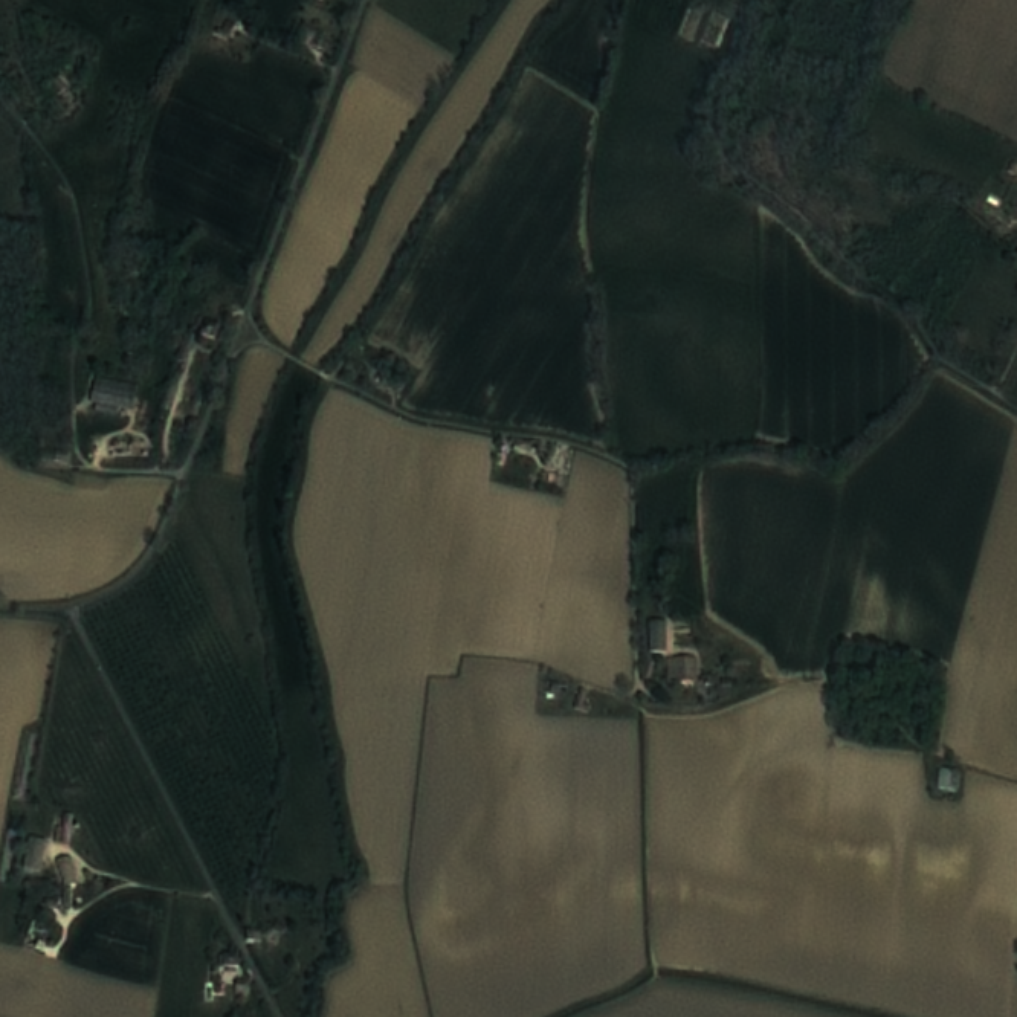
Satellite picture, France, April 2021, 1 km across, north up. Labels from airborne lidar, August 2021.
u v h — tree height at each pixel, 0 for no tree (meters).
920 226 9
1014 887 0
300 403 11
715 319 0
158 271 18
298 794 0
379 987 0
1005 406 0
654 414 0
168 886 0
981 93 0
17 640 0
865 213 0
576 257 0
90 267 0
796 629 0
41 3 0
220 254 0
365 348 0
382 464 0
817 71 14
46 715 7
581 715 0
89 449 0
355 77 0
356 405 0
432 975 0
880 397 0
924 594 0
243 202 0
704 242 0
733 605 0
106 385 0
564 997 0
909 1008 0
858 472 0
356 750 0
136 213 17
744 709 0
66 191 0
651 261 0
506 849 0
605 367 11
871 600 0
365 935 0
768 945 0
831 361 0
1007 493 0
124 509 0
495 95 10
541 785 0
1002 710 0
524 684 0
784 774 0
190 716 0
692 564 0
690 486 0
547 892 0
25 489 0
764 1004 0
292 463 10
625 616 0
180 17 0
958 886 0
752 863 0
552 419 0
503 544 0
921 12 0
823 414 0
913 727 25
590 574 0
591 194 0
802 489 0
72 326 11
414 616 0
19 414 21
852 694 22
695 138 14
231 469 0
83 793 0
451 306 0
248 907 0
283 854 0
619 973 0
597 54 0
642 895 0
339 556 0
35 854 0
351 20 27
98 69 7
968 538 0
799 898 0
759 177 17
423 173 0
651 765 0
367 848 0
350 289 0
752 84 13
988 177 0
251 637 7
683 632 0
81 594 0
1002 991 0
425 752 0
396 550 0
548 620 0
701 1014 0
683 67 0
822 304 0
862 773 0
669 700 11
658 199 0
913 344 0
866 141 15
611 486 0
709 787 0
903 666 23
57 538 0
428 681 0
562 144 0
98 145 0
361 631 0
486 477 0
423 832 0
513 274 0
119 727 0
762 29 16
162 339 17
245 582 0
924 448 0
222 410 27
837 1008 0
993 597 0
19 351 23
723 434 0
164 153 0
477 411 0
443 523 0
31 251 15
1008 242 6
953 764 17
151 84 7
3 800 0
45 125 15
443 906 0
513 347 0
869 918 0
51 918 13
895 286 14
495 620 0
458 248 0
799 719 0
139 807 0
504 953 0
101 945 0
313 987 13
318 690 12
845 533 0
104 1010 0
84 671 0
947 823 0
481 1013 0
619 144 0
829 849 0
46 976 0
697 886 0
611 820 0
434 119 0
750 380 0
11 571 0
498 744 0
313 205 0
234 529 0
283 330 0
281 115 0
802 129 11
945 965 0
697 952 0
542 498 0
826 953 0
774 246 0
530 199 0
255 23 15
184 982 0
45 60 12
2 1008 0
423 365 0
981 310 0
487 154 0
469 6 0
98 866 0
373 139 0
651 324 0
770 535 0
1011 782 0
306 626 16
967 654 0
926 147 0
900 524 0
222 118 0
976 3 0
